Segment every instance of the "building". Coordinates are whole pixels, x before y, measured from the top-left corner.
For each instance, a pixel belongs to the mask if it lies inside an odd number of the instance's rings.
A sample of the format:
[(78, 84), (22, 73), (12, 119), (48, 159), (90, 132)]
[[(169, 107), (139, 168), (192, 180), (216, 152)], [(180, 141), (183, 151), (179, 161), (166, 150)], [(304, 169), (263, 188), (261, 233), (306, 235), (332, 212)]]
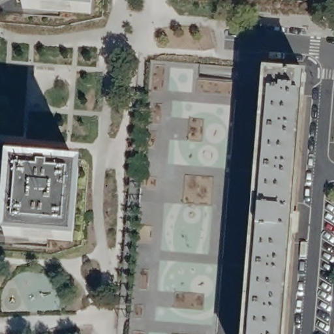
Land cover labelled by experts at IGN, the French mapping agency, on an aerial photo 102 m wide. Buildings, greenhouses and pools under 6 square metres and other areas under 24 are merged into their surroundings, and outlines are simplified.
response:
[(76, 14), (89, 14), (97, 0), (17, 0), (17, 4), (21, 4), (25, 10), (35, 5), (39, 10), (65, 8), (67, 12), (73, 10)]
[(77, 232), (74, 217), (78, 213), (80, 192), (78, 153), (43, 147), (3, 146), (3, 177), (0, 179), (0, 244), (20, 249), (22, 245), (43, 247), (44, 241), (47, 240), (44, 236), (52, 240), (60, 237), (72, 243), (72, 237)]
[(301, 85), (307, 80), (307, 74), (305, 65), (261, 63), (239, 334), (284, 334), (292, 317), (288, 281), (295, 260), (292, 227), (305, 142), (305, 95)]

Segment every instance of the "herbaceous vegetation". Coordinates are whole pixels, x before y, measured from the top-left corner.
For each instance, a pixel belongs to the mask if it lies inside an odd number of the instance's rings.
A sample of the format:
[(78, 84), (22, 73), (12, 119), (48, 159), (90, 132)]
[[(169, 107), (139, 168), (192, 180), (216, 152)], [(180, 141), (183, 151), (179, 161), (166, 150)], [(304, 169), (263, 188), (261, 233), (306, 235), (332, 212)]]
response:
[(76, 121), (72, 128), (72, 141), (91, 144), (97, 140), (98, 117), (74, 116)]
[(102, 286), (103, 271), (100, 271), (99, 262), (82, 262), (81, 274), (89, 290)]
[(104, 175), (103, 217), (107, 234), (114, 235), (117, 224), (117, 183), (116, 172), (114, 168), (110, 168)]
[(68, 83), (55, 80), (51, 89), (42, 93), (47, 100), (48, 108), (65, 106), (69, 97)]
[(85, 77), (77, 77), (74, 99), (76, 110), (102, 111), (102, 104), (99, 103), (106, 98), (106, 97), (102, 94), (104, 73), (87, 72)]
[(189, 129), (185, 138), (188, 141), (201, 142), (204, 138), (204, 119), (187, 117)]
[(185, 172), (184, 196), (181, 197), (180, 204), (201, 206), (200, 202), (210, 202), (209, 175)]
[(164, 67), (168, 61), (231, 69), (234, 67), (234, 59), (179, 53), (155, 55), (158, 56), (158, 60), (150, 63), (149, 91), (151, 93), (164, 86)]
[(179, 22), (171, 21), (170, 25), (164, 26), (163, 29), (155, 30), (155, 39), (159, 47), (214, 50), (217, 47), (215, 31), (210, 27), (180, 25)]
[(37, 51), (40, 63), (72, 64), (73, 48), (43, 46), (42, 50)]
[(83, 295), (77, 287), (77, 297), (73, 303), (60, 299), (60, 308), (74, 309), (76, 312), (94, 307), (94, 301), (89, 294)]
[(100, 29), (107, 25), (112, 0), (97, 0), (89, 14), (76, 14), (73, 10), (67, 12), (65, 8), (39, 10), (35, 5), (25, 10), (25, 13), (18, 14), (0, 13), (0, 27), (14, 33), (31, 35), (57, 35)]
[(25, 256), (37, 256), (43, 254), (82, 258), (82, 254), (89, 256), (97, 247), (91, 189), (93, 158), (86, 149), (80, 149), (78, 153), (80, 192), (78, 213), (74, 217), (77, 232), (72, 237), (72, 243), (60, 237), (52, 240), (44, 236), (47, 240), (44, 241), (43, 247), (22, 245), (20, 249), (0, 244), (0, 254), (4, 252), (4, 256), (7, 257), (5, 260), (16, 266), (26, 264)]
[(198, 77), (198, 74), (193, 74), (193, 83), (196, 83), (204, 93), (231, 97), (232, 82), (204, 80)]
[(197, 292), (177, 292), (177, 308), (204, 309), (204, 295)]
[(112, 138), (119, 133), (123, 111), (111, 110), (108, 136)]

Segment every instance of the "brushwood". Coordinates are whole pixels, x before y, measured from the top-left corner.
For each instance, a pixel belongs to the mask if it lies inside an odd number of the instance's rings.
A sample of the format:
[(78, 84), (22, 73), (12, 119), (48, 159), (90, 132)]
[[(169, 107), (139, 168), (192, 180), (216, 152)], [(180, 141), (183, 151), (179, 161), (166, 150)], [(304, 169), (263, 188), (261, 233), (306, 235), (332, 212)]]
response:
[(326, 0), (232, 0), (234, 5), (256, 7), (258, 12), (308, 13), (311, 16), (316, 12), (314, 4), (325, 3)]
[(210, 0), (167, 0), (168, 5), (181, 16), (207, 18), (211, 13)]
[(26, 264), (16, 266), (5, 260), (7, 257), (4, 256), (4, 252), (0, 254), (0, 290), (4, 291), (9, 281), (25, 271), (44, 274), (44, 265), (38, 264), (37, 256), (25, 256)]
[(158, 60), (158, 56), (155, 55), (146, 57), (144, 83), (142, 86), (136, 86), (134, 91), (149, 93), (149, 91), (150, 63)]

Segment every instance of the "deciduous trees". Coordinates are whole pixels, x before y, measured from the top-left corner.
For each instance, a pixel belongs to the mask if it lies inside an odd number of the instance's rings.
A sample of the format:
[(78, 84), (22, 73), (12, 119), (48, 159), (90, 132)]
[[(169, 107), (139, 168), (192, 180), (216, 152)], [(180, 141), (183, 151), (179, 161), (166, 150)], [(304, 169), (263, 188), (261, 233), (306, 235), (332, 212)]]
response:
[(102, 286), (89, 290), (89, 294), (94, 301), (94, 307), (110, 311), (114, 305), (120, 304), (120, 299), (124, 299), (125, 313), (130, 313), (132, 296), (116, 294), (115, 287)]
[(132, 287), (136, 270), (137, 241), (140, 239), (140, 219), (138, 222), (130, 222), (129, 228), (137, 231), (136, 235), (129, 236), (132, 248), (128, 249), (130, 258), (127, 269), (130, 270), (130, 275), (127, 275), (127, 283)]
[(55, 273), (48, 274), (47, 278), (50, 279), (60, 299), (73, 303), (77, 297), (77, 287), (72, 274), (65, 271), (63, 266)]
[(334, 0), (326, 0), (325, 3), (314, 4), (316, 12), (311, 16), (312, 21), (318, 26), (334, 31)]
[(258, 12), (256, 7), (234, 5), (232, 0), (210, 0), (211, 13), (207, 18), (226, 21), (227, 34), (239, 34), (256, 25), (258, 18), (261, 17)]
[(114, 82), (110, 95), (106, 97), (106, 98), (111, 110), (123, 111), (128, 102), (133, 103), (132, 111), (129, 112), (129, 123), (134, 125), (134, 129), (128, 133), (128, 137), (133, 138), (133, 150), (137, 150), (133, 158), (125, 157), (125, 163), (129, 164), (129, 168), (125, 170), (124, 175), (141, 185), (150, 174), (147, 159), (147, 142), (150, 137), (149, 93), (134, 91), (136, 86), (130, 86), (130, 80), (138, 68), (136, 53), (130, 46), (115, 48), (110, 53), (110, 59), (106, 61), (107, 73), (111, 74)]

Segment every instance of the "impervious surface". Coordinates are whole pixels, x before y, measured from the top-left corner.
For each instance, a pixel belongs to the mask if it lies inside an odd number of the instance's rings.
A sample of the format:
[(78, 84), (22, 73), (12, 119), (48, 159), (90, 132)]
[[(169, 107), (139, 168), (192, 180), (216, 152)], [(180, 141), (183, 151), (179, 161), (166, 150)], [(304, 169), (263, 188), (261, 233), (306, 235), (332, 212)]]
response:
[(0, 13), (18, 14), (25, 13), (25, 10), (21, 4), (17, 4), (17, 0), (0, 0)]
[[(91, 189), (97, 247), (89, 256), (82, 254), (82, 258), (43, 254), (37, 256), (38, 264), (44, 265), (44, 274), (25, 271), (9, 281), (4, 291), (0, 290), (0, 334), (239, 334), (261, 63), (305, 65), (307, 74), (307, 80), (301, 85), (305, 95), (305, 142), (292, 227), (295, 260), (288, 281), (292, 317), (284, 334), (334, 334), (334, 31), (318, 26), (312, 21), (311, 16), (308, 13), (258, 12), (261, 17), (258, 18), (256, 25), (239, 34), (227, 34), (226, 21), (207, 18), (181, 16), (168, 5), (167, 0), (112, 0), (107, 25), (100, 29), (57, 35), (31, 35), (14, 33), (0, 27), (0, 179), (3, 177), (3, 146), (43, 147), (78, 153), (80, 149), (86, 149), (93, 158)], [(217, 47), (214, 50), (159, 47), (155, 39), (155, 30), (163, 29), (164, 26), (170, 25), (171, 21), (179, 22), (180, 25), (210, 27), (215, 31)], [(37, 51), (42, 50), (43, 46), (73, 48), (72, 64), (40, 63)], [(125, 157), (133, 158), (137, 150), (133, 150), (133, 138), (128, 137), (128, 133), (134, 129), (134, 125), (129, 123), (129, 112), (132, 111), (133, 103), (128, 102), (123, 111), (119, 133), (112, 138), (108, 136), (111, 110), (106, 98), (99, 103), (102, 104), (102, 111), (76, 110), (74, 99), (77, 77), (85, 77), (87, 72), (104, 73), (102, 94), (106, 97), (110, 95), (114, 82), (111, 74), (107, 73), (106, 61), (110, 59), (110, 53), (115, 48), (130, 46), (136, 53), (138, 68), (130, 80), (130, 86), (136, 86), (142, 86), (144, 83), (146, 57), (155, 55), (179, 53), (234, 59), (234, 67), (231, 69), (168, 61), (164, 67), (164, 86), (151, 93), (149, 91), (149, 93), (150, 137), (147, 142), (147, 159), (150, 174), (141, 185), (124, 175), (125, 170), (129, 168), (129, 164), (125, 163)], [(232, 82), (231, 97), (204, 93), (196, 83), (193, 83), (193, 74), (198, 74), (198, 77), (204, 80)], [(65, 106), (48, 108), (47, 100), (42, 93), (51, 89), (55, 80), (68, 83), (69, 97)], [(98, 117), (97, 140), (91, 144), (72, 141), (72, 128), (76, 121), (74, 116)], [(204, 138), (201, 142), (188, 141), (185, 138), (189, 129), (187, 117), (204, 119)], [(114, 235), (107, 234), (103, 217), (104, 175), (110, 168), (114, 168), (116, 172), (117, 183), (117, 224)], [(181, 197), (184, 196), (185, 172), (209, 175), (210, 202), (200, 202), (201, 206), (180, 204)], [(130, 275), (130, 270), (127, 269), (130, 258), (128, 249), (132, 248), (129, 236), (136, 235), (137, 231), (129, 228), (130, 222), (138, 222), (140, 219), (140, 239), (137, 241), (136, 270), (132, 287), (127, 283), (127, 275)], [(83, 295), (89, 294), (89, 290), (81, 274), (82, 262), (99, 262), (100, 271), (103, 271), (102, 286), (115, 287), (116, 294), (132, 296), (130, 313), (125, 313), (124, 299), (120, 299), (120, 304), (114, 305), (110, 311), (94, 307), (76, 312), (74, 309), (60, 308), (60, 299), (50, 279), (47, 278), (48, 274), (55, 273), (63, 266), (65, 271), (72, 274), (77, 287)], [(197, 292), (204, 295), (204, 309), (177, 308), (177, 292)]]

